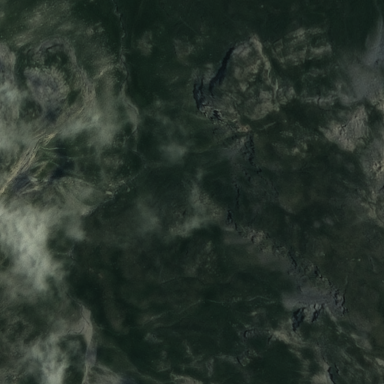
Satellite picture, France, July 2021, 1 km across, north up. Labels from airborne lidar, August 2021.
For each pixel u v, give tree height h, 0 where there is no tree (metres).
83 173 0
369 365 0
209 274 0
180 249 0
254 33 0
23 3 0
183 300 0
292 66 0
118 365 0
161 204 0
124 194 0
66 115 0
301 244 0
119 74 0
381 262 0
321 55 0
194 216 0
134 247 0
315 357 0
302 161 0
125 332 0
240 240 0
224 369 0
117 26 0
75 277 0
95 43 0
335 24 0
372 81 0
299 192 0
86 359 0
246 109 0
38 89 0
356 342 0
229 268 0
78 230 0
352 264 0
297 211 0
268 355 0
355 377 0
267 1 0
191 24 0
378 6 0
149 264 0
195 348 0
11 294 0
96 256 0
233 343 0
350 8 0
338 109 0
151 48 0
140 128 0
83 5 0
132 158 0
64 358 0
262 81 0
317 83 0
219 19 0
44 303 0
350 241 0
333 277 0
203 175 0
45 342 0
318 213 0
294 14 0
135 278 0
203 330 0
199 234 0
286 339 0
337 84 0
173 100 0
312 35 0
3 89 0
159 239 0
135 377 0
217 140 0
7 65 0
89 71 0
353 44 0
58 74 0
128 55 0
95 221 0
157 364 0
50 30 0
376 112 0
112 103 0
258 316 0
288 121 0
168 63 0
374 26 0
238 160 0
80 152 0
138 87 0
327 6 0
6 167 0
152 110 0
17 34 0
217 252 0
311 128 0
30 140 25
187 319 0
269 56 0
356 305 0
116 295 0
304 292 0
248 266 0
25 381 0
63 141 0
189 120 0
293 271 0
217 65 0
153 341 0
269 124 0
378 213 0
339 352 0
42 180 0
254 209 0
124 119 0
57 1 0
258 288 0
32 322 0
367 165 0
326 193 0
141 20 0
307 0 0
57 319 0
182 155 0
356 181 0
